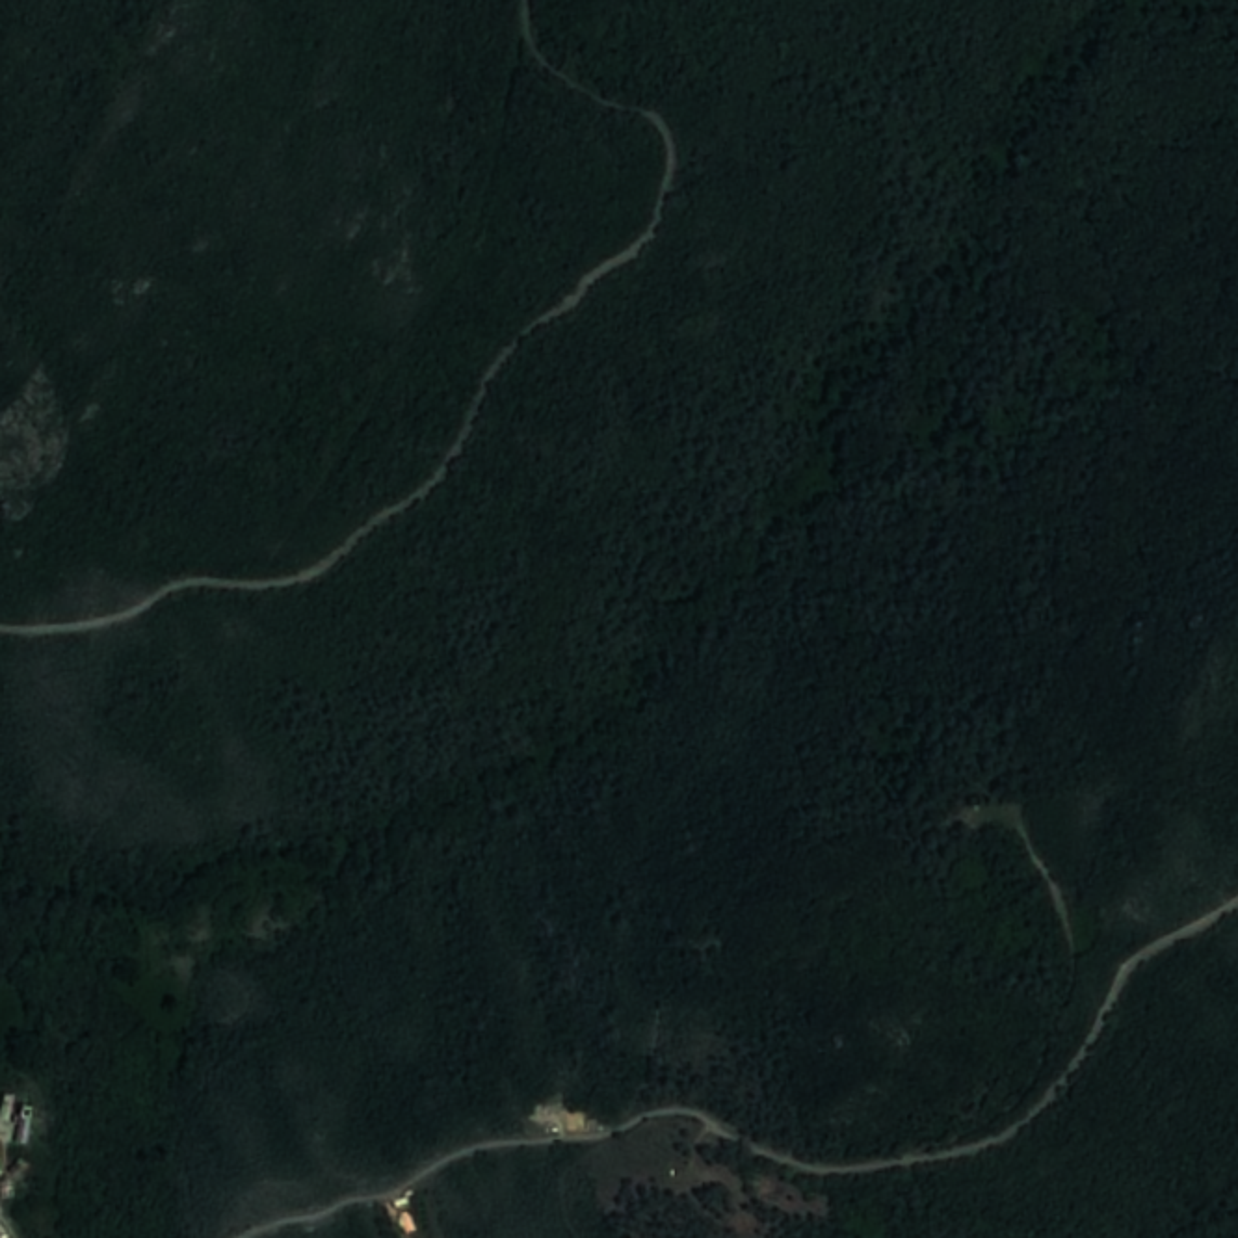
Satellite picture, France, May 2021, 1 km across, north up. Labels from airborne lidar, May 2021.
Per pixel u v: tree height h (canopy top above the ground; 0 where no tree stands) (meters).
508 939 8
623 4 8
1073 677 13
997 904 6
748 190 9
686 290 10
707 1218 20
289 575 7
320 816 11
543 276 7
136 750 7
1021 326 21
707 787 11
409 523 8
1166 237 19
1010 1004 15
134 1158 21
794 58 11
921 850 21
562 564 10
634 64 12
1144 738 9
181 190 9
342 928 7
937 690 22
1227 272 11
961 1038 12
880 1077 12
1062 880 7
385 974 7
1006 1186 7
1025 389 8
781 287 10
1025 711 23
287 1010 6
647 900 7
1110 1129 10
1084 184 15
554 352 9
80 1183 14
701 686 13
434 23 11
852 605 22
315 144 9
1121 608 18
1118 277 17
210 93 7
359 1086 8
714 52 8
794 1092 11
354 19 7
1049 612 14
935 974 16
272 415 10
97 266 7
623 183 7
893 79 11
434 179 10
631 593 6
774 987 14
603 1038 10
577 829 12
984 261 17
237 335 9
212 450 6
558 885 12
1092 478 19
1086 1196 13
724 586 24
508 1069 6
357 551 9
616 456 21
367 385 6
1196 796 8
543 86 20
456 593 12
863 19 10
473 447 12
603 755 16
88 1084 15
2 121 8
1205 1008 7
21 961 20
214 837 7
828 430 20
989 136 23
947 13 12
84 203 6
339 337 9
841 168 8
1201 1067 13
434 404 9
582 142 10
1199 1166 13
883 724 22
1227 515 9
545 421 15
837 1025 11
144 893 23
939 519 14
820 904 12
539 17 13
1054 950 7
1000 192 26
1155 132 18
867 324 21
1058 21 14
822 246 9
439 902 11
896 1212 18
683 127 6
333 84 6
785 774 10
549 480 18
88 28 7
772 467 16
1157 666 12
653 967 9
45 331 10
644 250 8
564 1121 0
